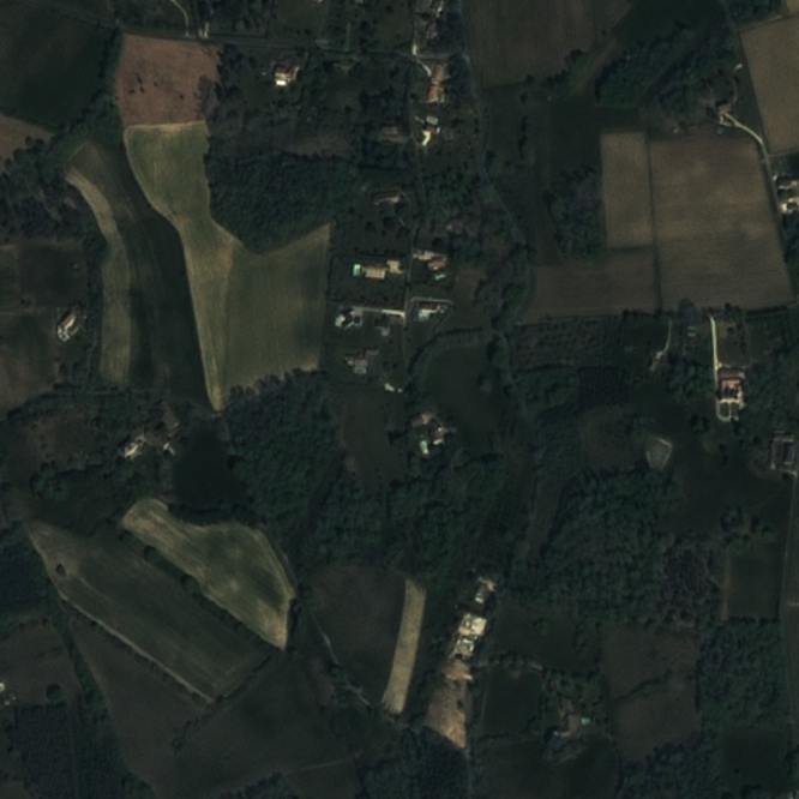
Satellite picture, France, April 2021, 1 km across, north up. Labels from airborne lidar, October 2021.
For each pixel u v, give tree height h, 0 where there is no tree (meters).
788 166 0
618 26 0
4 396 0
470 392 0
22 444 0
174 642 0
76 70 0
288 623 0
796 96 0
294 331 0
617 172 0
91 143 0
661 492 25
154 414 7
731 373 0
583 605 12
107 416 13
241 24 15
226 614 7
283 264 0
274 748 0
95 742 5
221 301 0
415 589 0
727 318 18
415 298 0
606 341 7
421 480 8
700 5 0
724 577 9
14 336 0
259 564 0
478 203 9
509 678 0
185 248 0
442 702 0
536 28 0
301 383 21
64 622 13
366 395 0
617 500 22
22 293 0
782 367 19
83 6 0
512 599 14
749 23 15
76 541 0
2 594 18
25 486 0
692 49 9
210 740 0
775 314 8
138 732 0
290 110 20
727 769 0
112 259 0
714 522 0
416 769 18
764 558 0
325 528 26
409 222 15
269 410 25
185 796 0
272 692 0
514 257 10
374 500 19
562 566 18
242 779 0
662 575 10
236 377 0
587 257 29
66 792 11
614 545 18
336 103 0
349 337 0
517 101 0
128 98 0
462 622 7
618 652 0
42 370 0
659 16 0
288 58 0
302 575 16
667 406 0
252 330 0
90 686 17
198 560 0
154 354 0
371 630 0
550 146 0
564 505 6
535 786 0
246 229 20
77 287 0
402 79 7
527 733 8
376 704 0
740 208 0
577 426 6
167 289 0
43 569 16
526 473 0
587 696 19
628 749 0
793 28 0
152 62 0
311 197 20
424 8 14
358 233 0
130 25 6
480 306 16
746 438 10
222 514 10
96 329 15
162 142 0
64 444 0
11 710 5
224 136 20
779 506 0
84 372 14
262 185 16
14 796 0
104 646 0
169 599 0
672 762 24
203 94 8
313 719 0
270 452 26
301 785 0
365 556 8
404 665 0
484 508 22
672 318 12
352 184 13
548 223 0
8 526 7
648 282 0
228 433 19
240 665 0
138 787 18
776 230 0
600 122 0
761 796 16
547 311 0
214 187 12
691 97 22
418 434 11
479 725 9
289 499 25
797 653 0
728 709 11
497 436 14
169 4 0
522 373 10
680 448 0
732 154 0
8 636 7
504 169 17
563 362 10
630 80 19
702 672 12
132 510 0
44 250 0
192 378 0
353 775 0
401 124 8
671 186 0
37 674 0
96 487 0
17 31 0
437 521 20
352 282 0
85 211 16
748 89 0
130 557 0
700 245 0
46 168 22
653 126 0
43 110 0
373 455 0
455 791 19
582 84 0
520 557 22
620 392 9
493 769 0
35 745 12
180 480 0
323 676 0
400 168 17
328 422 22
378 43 5
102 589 0
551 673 13
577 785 0
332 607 0
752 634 18
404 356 0
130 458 12
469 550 13
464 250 21
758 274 0
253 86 0
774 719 15
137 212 0
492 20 0
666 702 0
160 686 0
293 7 0
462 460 21
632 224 0
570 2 0
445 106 9
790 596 0
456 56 18
